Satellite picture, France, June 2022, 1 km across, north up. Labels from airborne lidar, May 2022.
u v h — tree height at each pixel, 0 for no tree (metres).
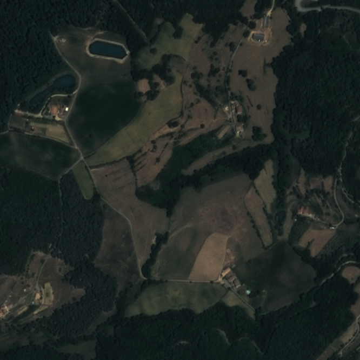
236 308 14
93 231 17
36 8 13
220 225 0
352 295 15
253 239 0
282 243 0
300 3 0
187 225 0
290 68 15
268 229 0
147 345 14
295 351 17
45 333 13
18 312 0
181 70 0
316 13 18
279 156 13
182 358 15
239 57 0
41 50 23
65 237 13
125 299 10
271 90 0
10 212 7
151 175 0
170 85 0
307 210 0
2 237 7
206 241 0
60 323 23
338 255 11
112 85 0
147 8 18
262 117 0
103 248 0
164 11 17
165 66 6
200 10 12
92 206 15
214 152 0
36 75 10
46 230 12
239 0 11
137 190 8
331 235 0
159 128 0
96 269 17
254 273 0
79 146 0
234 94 15
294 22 19
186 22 0
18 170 11
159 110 0
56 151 0
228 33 0
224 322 15
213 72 8
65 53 0
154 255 18
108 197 0
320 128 17
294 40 24
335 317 18
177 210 0
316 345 16
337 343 0
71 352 0
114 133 0
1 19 24
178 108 0
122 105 0
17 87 24
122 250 0
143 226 0
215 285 0
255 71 0
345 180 10
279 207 10
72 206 20
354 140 11
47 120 7
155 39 9
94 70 0
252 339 12
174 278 0
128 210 0
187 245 0
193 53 0
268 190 0
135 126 0
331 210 0
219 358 18
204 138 9
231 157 21
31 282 0
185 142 0
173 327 14
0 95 20
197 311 0
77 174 0
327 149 11
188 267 0
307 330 12
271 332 12
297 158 17
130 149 0
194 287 0
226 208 0
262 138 17
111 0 13
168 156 0
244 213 0
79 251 21
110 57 0
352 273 0
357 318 0
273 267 0
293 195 0
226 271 0
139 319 17
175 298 0
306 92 13
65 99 0
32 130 10
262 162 23
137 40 17
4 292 0
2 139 0
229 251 0
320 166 17
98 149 0
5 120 17
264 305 0
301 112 21
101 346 21
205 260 0
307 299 16
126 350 15
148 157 0
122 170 0
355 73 14
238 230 0
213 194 0
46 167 0
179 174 7
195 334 20
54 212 16
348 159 6
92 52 0
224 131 0
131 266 0
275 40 0
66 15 32
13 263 12
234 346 17
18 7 26
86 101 0
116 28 24
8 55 25
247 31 8
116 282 12
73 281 19
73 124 0
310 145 17
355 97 13
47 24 18
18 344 13
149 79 6
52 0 22
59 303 0
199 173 21
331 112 18
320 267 17
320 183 0
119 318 20
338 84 10
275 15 0
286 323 13
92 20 21
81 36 0
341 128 11
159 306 0
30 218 16
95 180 0
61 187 11
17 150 0
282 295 0
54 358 16
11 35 32
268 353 16
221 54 0
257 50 0
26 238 14
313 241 0
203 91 12
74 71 0
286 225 0
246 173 14
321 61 13
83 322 25
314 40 9
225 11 20
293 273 0
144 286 14
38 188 14
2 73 25
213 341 16
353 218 0
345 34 10
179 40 0
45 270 0
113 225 0
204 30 11
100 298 18
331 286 18
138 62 0
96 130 0
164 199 8
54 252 13
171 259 0
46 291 0
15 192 11
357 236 0
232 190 0
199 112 0
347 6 8
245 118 9
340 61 11
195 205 0
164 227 0
